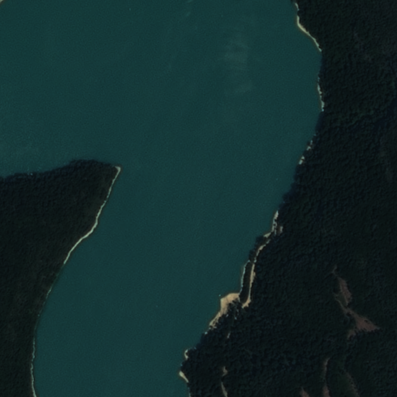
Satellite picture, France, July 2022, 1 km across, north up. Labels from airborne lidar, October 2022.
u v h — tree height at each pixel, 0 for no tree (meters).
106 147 0
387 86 14
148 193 0
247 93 0
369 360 14
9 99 0
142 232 0
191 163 0
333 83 15
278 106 0
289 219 19
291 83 0
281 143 0
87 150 0
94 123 0
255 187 0
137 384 0
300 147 0
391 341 13
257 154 0
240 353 21
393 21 9
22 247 11
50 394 0
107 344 0
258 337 14
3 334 9
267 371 24
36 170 0
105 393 0
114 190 0
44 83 0
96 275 0
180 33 0
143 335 0
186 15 0
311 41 0
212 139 0
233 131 0
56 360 0
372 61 6
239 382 15
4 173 0
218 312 0
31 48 0
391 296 25
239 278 0
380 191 17
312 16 16
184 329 0
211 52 0
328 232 12
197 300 0
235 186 0
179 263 0
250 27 0
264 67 0
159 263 0
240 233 0
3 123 0
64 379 0
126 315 0
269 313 15
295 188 24
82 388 0
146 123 0
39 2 0
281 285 14
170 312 0
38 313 11
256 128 0
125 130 0
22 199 26
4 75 0
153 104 0
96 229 0
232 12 0
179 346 0
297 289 12
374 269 16
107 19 0
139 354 0
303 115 0
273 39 0
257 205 0
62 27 0
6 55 0
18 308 6
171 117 0
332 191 23
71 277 0
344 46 8
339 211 13
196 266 0
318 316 15
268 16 0
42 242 7
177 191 0
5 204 18
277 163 0
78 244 0
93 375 0
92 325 0
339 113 16
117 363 0
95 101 0
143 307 0
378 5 6
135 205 0
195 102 0
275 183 0
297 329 20
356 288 17
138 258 0
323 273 14
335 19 18
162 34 0
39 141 0
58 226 10
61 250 11
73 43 0
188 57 0
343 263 11
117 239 0
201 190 0
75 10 0
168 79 0
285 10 0
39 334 0
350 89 13
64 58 0
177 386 0
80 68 0
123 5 0
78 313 0
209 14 0
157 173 0
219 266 0
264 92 0
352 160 21
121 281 0
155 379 0
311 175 20
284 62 0
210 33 0
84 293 0
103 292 0
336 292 18
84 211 16
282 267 14
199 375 20
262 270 12
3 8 0
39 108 0
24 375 13
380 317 14
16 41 0
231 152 0
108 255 0
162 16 0
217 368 24
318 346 23
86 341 0
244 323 27
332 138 19
